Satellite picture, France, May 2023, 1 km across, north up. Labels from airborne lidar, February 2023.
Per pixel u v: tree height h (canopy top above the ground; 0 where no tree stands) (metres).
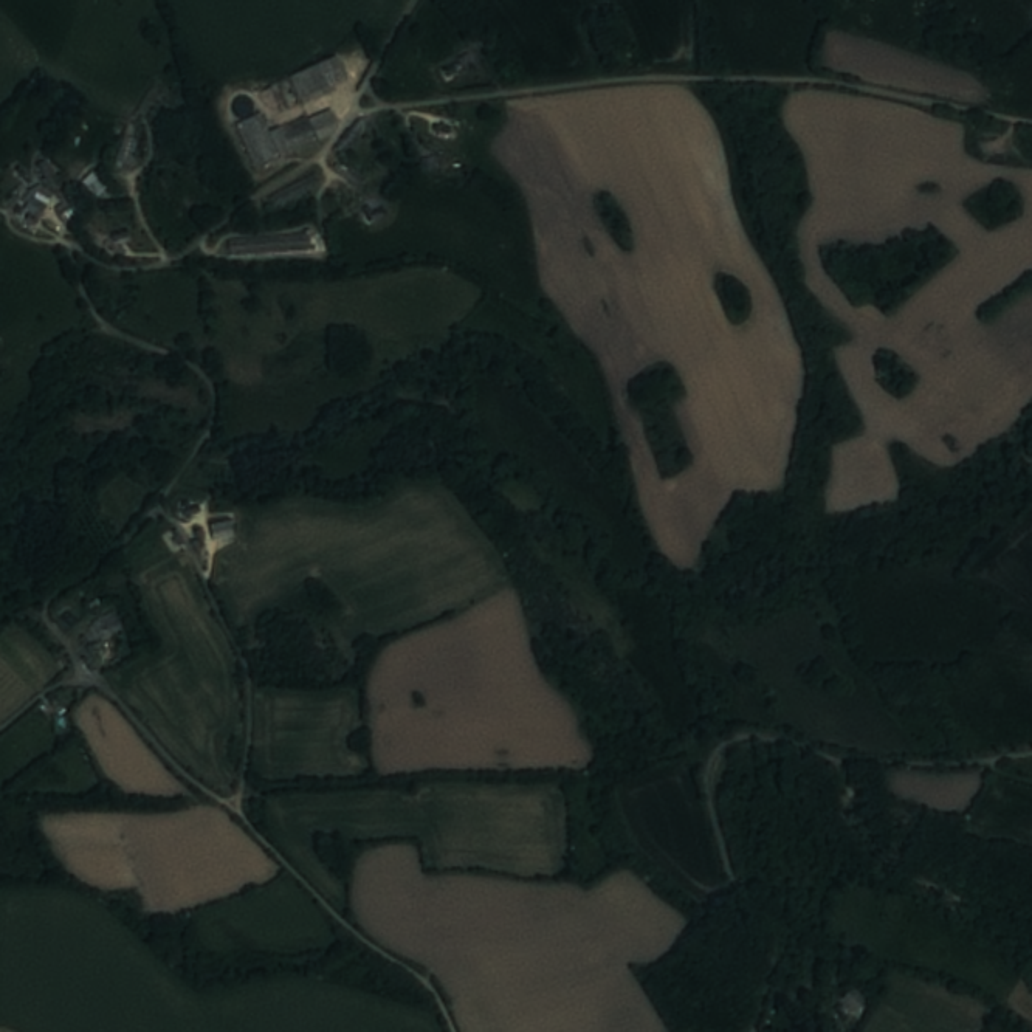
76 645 0
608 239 0
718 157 0
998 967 0
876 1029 0
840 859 18
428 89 0
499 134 0
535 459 0
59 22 0
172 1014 0
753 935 19
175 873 0
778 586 20
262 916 0
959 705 0
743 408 0
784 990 11
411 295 0
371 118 0
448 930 0
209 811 0
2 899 0
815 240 0
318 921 0
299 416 0
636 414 0
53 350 12
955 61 0
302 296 0
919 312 0
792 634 0
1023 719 0
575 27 0
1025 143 0
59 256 13
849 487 0
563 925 0
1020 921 15
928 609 0
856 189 0
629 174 0
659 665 0
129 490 0
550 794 0
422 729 0
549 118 0
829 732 0
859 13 0
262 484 11
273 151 0
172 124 11
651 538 12
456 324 8
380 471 9
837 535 9
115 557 16
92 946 0
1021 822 0
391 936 0
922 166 0
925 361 0
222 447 14
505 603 0
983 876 14
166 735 0
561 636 11
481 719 0
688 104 0
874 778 12
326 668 5
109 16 0
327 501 9
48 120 8
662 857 0
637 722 16
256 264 10
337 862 16
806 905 12
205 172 13
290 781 7
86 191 14
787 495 7
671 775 0
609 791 9
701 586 14
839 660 0
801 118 0
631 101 0
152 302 0
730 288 12
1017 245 0
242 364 0
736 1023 6
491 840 0
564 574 0
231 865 0
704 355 0
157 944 15
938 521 12
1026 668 0
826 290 0
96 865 0
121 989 0
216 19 0
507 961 0
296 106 0
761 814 10
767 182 9
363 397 10
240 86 0
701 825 0
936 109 7
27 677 0
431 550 0
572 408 18
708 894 0
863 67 0
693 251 0
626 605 0
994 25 0
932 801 0
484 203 0
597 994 0
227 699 0
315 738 0
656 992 12
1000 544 0
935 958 0
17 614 6
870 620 0
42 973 0
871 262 19
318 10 0
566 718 0
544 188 0
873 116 0
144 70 0
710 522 0
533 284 0
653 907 0
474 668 0
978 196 0
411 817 0
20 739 0
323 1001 0
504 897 0
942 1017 0
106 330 0
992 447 8
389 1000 0
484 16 15
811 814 18
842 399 8
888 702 8
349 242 0
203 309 10
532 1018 0
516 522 22
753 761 10
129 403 6
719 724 13
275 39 0
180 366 15
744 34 0
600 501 0
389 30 0
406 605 0
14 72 0
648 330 0
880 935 0
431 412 15
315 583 10
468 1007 0
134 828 0
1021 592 0
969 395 0
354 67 0
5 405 0
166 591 0
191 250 0
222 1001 0
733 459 0
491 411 0
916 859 15
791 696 0
